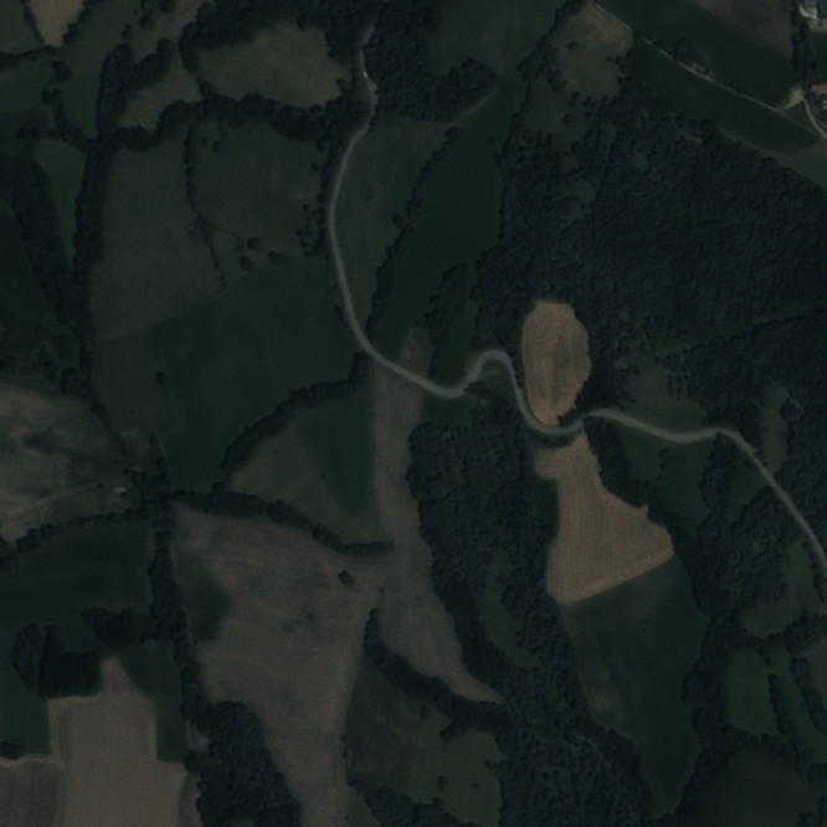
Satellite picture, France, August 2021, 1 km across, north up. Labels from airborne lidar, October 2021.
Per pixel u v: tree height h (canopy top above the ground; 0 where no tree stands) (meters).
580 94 9
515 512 12
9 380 0
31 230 21
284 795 15
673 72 0
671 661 0
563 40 0
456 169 0
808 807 0
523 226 20
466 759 0
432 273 0
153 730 0
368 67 10
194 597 0
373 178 0
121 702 0
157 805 0
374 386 0
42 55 11
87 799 0
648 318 7
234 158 0
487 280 19
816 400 20
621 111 15
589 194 0
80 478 0
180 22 0
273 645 0
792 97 0
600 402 12
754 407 7
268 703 0
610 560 0
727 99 0
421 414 0
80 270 16
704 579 23
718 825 0
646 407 0
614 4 0
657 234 14
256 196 0
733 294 14
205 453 0
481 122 0
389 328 0
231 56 0
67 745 0
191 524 0
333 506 0
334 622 0
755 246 16
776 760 19
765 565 12
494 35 0
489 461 13
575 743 19
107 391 0
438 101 24
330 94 0
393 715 0
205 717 15
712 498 19
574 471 0
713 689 25
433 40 0
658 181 7
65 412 0
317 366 0
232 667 0
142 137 25
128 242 0
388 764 0
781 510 13
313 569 0
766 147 0
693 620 0
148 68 18
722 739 24
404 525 0
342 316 14
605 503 0
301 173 0
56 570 0
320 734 0
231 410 0
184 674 11
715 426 18
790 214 19
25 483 0
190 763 16
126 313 0
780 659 0
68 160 0
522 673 13
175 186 0
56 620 0
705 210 15
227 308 0
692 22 0
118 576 0
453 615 13
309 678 0
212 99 16
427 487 15
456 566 13
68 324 26
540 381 0
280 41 0
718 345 12
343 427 0
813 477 16
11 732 0
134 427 0
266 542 0
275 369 0
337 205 0
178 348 0
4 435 0
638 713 0
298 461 0
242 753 19
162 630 14
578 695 14
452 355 0
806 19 14
